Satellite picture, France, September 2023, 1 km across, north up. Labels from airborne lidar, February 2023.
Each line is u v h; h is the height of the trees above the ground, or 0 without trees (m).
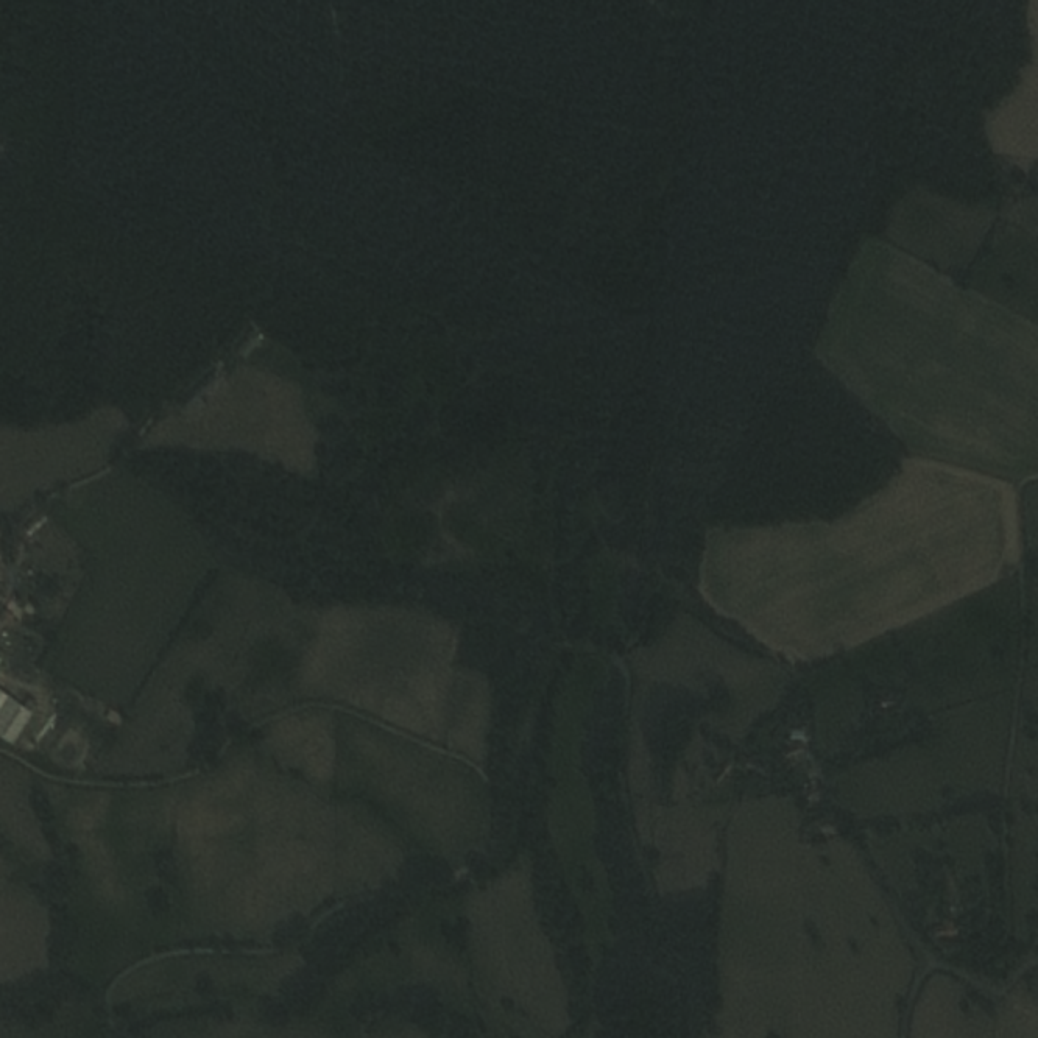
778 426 22
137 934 0
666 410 18
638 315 23
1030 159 0
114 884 0
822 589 0
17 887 0
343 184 25
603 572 0
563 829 0
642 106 26
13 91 17
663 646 0
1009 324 0
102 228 18
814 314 26
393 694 0
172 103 26
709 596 0
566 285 29
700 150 33
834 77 26
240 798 0
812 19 24
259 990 0
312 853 0
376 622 0
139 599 0
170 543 0
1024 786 0
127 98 22
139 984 0
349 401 13
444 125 10
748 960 0
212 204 26
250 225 25
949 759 0
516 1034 0
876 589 0
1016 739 0
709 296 25
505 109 14
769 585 0
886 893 10
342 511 12
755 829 0
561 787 0
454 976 0
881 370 0
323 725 0
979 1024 0
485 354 23
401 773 0
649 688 0
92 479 0
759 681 0
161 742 0
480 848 0
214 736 20
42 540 0
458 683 0
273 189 11
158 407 16
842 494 23
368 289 24
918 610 0
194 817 0
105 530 0
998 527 0
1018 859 0
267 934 0
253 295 17
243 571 10
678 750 13
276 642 0
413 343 15
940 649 0
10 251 20
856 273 0
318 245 20
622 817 18
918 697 0
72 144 22
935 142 20
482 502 0
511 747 16
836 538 0
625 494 21
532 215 11
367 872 0
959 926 7
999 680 0
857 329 0
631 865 25
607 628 0
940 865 8
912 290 0
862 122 29
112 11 22
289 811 0
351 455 21
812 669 7
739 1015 0
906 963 0
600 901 0
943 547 0
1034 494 0
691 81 17
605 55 19
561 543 18
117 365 21
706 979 16
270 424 0
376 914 11
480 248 21
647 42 17
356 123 23
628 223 15
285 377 0
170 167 22
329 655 0
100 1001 13
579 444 13
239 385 0
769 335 32
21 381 15
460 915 0
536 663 20
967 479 0
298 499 15
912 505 0
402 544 0
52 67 18
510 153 15
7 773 0
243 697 0
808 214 29
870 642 0
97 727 0
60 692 0
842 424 21
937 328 0
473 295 22
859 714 0
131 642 0
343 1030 0
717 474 19
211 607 0
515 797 21
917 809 0
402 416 0
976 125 20
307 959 9
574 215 7
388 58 21
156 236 19
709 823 0
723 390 31
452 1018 9
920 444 0
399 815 0
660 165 29
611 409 17
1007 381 0
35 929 0
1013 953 9
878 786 0
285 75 14
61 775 0
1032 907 0
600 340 23
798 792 6
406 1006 16
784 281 30
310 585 15
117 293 19
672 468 22
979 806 15
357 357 21
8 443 0
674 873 0
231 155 27
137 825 0
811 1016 0
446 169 13
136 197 19
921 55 17
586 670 0
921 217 0
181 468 13
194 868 0
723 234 24
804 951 0
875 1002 0
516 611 16
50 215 19
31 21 17
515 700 24
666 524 21
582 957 21
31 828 0
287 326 21
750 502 27
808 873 0
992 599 0
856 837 9
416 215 27
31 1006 11
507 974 0
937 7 27
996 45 21
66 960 10
